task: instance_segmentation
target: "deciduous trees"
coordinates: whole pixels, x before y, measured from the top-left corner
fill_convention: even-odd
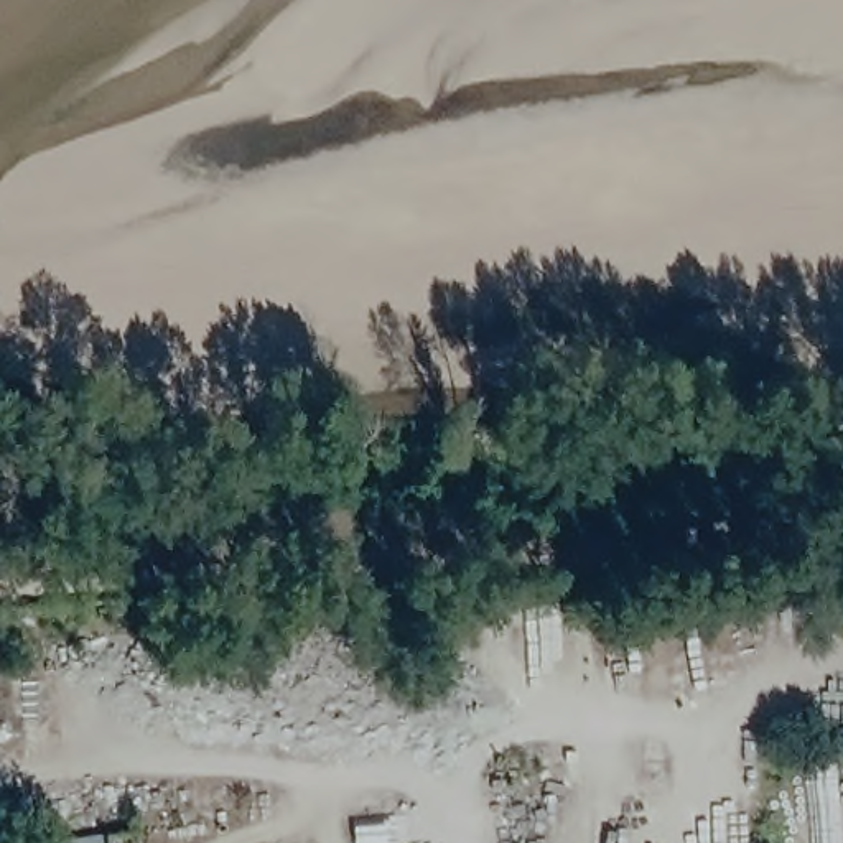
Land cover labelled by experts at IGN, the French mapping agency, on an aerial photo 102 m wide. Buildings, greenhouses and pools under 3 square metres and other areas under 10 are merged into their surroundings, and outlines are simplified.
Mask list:
[[[813,777],[830,764],[843,764],[843,721],[827,718],[820,705],[774,718],[767,738],[757,741],[757,754],[764,761],[790,767],[797,774]]]
[[[53,800],[46,797],[40,810],[13,810],[0,803],[0,843],[76,843],[79,827],[66,827]]]
[[[356,392],[349,379],[339,375],[333,366],[323,372],[323,379],[310,379],[310,369],[280,369],[270,379],[273,402],[267,435],[250,435],[250,428],[237,418],[227,418],[224,425],[191,425],[184,418],[165,425],[158,408],[161,398],[145,385],[132,385],[125,379],[125,369],[119,366],[102,369],[92,382],[86,382],[86,389],[59,392],[46,408],[26,405],[16,392],[0,395],[0,461],[7,461],[7,454],[16,454],[16,464],[30,481],[26,491],[49,507],[40,543],[0,540],[0,576],[43,583],[43,593],[36,596],[0,596],[0,672],[13,678],[26,678],[33,668],[30,652],[23,649],[26,609],[63,645],[76,649],[82,645],[79,632],[89,619],[99,616],[105,626],[125,629],[128,606],[145,609],[148,626],[142,626],[142,632],[151,642],[148,655],[171,685],[221,682],[224,688],[240,692],[263,692],[270,685],[273,668],[283,659],[290,659],[290,642],[306,639],[310,626],[323,626],[352,652],[352,668],[372,672],[375,685],[392,695],[395,705],[405,705],[412,711],[438,705],[461,678],[458,652],[477,649],[484,629],[507,626],[514,612],[530,612],[543,606],[560,609],[563,626],[589,629],[599,645],[616,652],[642,652],[652,649],[652,642],[659,639],[688,639],[698,636],[701,645],[708,645],[718,639],[724,626],[754,629],[767,616],[787,609],[794,609],[797,616],[797,639],[797,645],[807,655],[827,655],[833,639],[843,636],[843,356],[836,356],[827,372],[820,372],[817,366],[787,369],[780,389],[774,382],[761,382],[757,402],[748,405],[738,402],[728,389],[728,362],[705,359],[692,369],[685,362],[659,362],[659,356],[645,342],[636,342],[632,352],[603,356],[596,346],[566,352],[553,339],[543,349],[537,349],[537,359],[520,359],[504,379],[501,431],[487,435],[481,428],[484,402],[471,402],[461,405],[461,412],[445,425],[438,445],[405,445],[402,422],[379,418],[372,408],[372,392]],[[757,497],[757,507],[771,510],[780,494],[807,494],[807,520],[797,524],[797,530],[807,540],[807,553],[800,560],[780,563],[771,560],[761,547],[748,547],[738,557],[728,557],[724,550],[715,550],[708,557],[645,553],[632,560],[616,583],[612,563],[603,563],[599,570],[576,576],[570,570],[557,570],[553,560],[540,563],[540,553],[553,557],[553,533],[560,533],[570,524],[570,517],[586,507],[603,507],[616,530],[682,514],[701,520],[718,504],[715,474],[728,451],[754,454],[764,474],[771,477],[771,484]],[[244,524],[250,514],[270,510],[273,487],[286,487],[293,497],[316,494],[323,497],[326,514],[349,510],[352,517],[362,504],[379,504],[395,514],[415,510],[422,501],[438,501],[448,514],[477,507],[484,514],[487,550],[471,563],[464,563],[458,553],[435,557],[428,566],[422,566],[418,580],[395,580],[385,586],[379,586],[372,570],[362,563],[362,540],[356,530],[336,540],[333,547],[300,547],[300,533],[290,533],[286,540],[263,537],[250,543],[250,553],[231,543],[227,557],[214,557],[214,543],[231,540],[237,524]],[[148,537],[158,537],[171,547],[181,533],[201,543],[198,566],[188,573],[168,573],[161,583],[161,596],[135,596],[135,560],[145,550]]]

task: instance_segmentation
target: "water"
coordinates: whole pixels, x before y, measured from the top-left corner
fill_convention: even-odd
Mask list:
[[[477,379],[468,389],[441,385],[438,379],[408,389],[372,392],[372,408],[379,418],[402,422],[405,445],[438,445],[445,425],[461,412],[461,405],[471,402],[484,402],[481,428],[487,435],[501,431],[504,379]]]
[[[240,56],[260,36],[263,26],[270,26],[296,0],[0,0],[0,181],[7,178],[7,171],[13,171],[23,158],[36,151],[145,119],[194,95],[221,92],[224,82],[217,69]]]
[[[692,86],[748,79],[757,76],[751,63],[672,63],[655,69],[491,79],[454,89],[448,95],[435,95],[431,105],[418,105],[415,99],[385,99],[379,92],[359,92],[310,119],[240,119],[184,135],[178,142],[204,168],[231,165],[257,171],[290,158],[310,158],[326,148],[359,145],[379,135],[412,132],[422,125],[510,105],[593,99],[626,89],[632,89],[636,95],[662,95],[685,92]]]

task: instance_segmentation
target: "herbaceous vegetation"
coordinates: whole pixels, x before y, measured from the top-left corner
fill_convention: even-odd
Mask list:
[[[10,731],[23,731],[23,718],[10,705],[13,678],[0,672],[0,724]]]
[[[599,645],[599,665],[609,668],[616,695],[682,708],[685,701],[692,701],[695,688],[688,639],[659,639],[652,642],[652,649],[642,652],[616,652]]]
[[[754,629],[724,626],[718,639],[708,645],[715,652],[738,652],[761,649],[764,639],[780,639],[790,645],[797,639],[797,616],[794,609],[787,609],[767,616]]]
[[[161,596],[161,583],[168,573],[188,573],[198,566],[201,543],[181,533],[171,547],[158,537],[148,537],[145,550],[135,560],[135,596]]]
[[[761,827],[771,820],[771,803],[780,797],[784,780],[797,774],[790,767],[764,761],[748,843],[767,843],[761,840]]]
[[[718,504],[701,520],[682,514],[616,530],[603,507],[586,507],[570,517],[570,524],[560,533],[553,533],[553,557],[540,553],[540,563],[553,560],[557,570],[570,570],[576,576],[599,570],[603,563],[612,563],[616,583],[632,560],[645,553],[708,557],[715,550],[724,550],[728,557],[738,557],[748,547],[761,547],[771,560],[780,563],[800,560],[807,553],[807,540],[797,530],[797,524],[807,520],[807,494],[780,494],[771,510],[757,507],[757,497],[771,484],[771,477],[764,474],[754,454],[728,451],[715,474]]]
[[[286,787],[280,784],[244,784],[234,777],[119,780],[82,774],[76,780],[46,780],[46,797],[53,800],[66,827],[79,827],[76,843],[214,843],[221,833],[260,823],[260,800],[267,797],[280,803],[280,797],[286,794]]]
[[[0,461],[0,540],[40,543],[49,507],[26,491],[30,481],[16,464],[16,454],[7,454],[7,461]]]
[[[379,504],[362,504],[352,517],[349,510],[326,514],[323,497],[316,494],[293,497],[286,487],[273,487],[270,510],[250,514],[244,524],[237,524],[231,540],[214,543],[214,557],[227,557],[231,543],[250,553],[250,543],[263,537],[286,540],[290,533],[300,533],[300,547],[333,547],[336,540],[356,530],[362,540],[362,563],[372,570],[379,586],[385,586],[395,580],[418,580],[422,566],[428,566],[435,557],[458,553],[464,563],[471,563],[487,550],[484,514],[477,507],[448,514],[438,501],[422,501],[415,510],[395,514]]]
[[[560,754],[560,741],[527,741],[494,751],[484,771],[487,810],[494,813],[497,843],[547,843],[560,833],[566,800],[573,797],[563,784],[566,754]]]

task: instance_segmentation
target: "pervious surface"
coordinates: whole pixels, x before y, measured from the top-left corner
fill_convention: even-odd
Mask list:
[[[609,668],[599,665],[599,645],[589,629],[563,626],[560,609],[543,606],[530,612],[514,612],[507,626],[484,629],[477,649],[458,652],[461,678],[438,705],[412,711],[405,705],[395,705],[392,695],[375,685],[372,672],[352,668],[352,652],[323,626],[310,626],[306,639],[290,642],[290,659],[283,659],[273,668],[270,685],[263,692],[240,692],[224,688],[221,682],[171,685],[148,655],[151,642],[142,632],[142,626],[148,626],[145,609],[128,606],[125,629],[105,626],[99,616],[89,619],[79,632],[82,645],[76,649],[63,645],[26,609],[23,649],[30,652],[33,668],[26,678],[13,678],[10,705],[23,718],[23,731],[10,731],[0,724],[0,803],[13,810],[40,810],[46,797],[46,780],[76,780],[82,774],[119,780],[234,777],[244,784],[280,784],[286,787],[286,794],[280,797],[280,803],[267,797],[260,800],[260,823],[221,833],[214,843],[497,843],[494,813],[487,810],[484,771],[494,751],[527,741],[560,741],[560,754],[566,754],[563,784],[573,797],[566,800],[560,833],[547,843],[748,843],[764,761],[757,754],[757,741],[767,738],[774,718],[820,705],[827,718],[843,721],[843,636],[833,639],[827,655],[807,655],[797,645],[797,639],[790,645],[780,639],[764,639],[761,649],[738,652],[715,652],[708,645],[701,645],[698,636],[688,639],[695,688],[692,701],[685,701],[682,708],[616,695]]]
[[[767,843],[843,843],[843,764],[830,764],[813,777],[797,774],[784,780],[780,797],[771,803],[771,820],[761,827],[761,840]]]
[[[43,583],[0,576],[0,596],[36,596],[43,593]]]

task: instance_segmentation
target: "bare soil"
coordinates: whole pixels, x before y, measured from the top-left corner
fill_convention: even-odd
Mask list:
[[[178,142],[184,135],[240,119],[310,119],[359,92],[379,92],[385,99],[415,99],[418,105],[431,105],[435,95],[448,95],[454,89],[491,79],[655,69],[672,63],[751,63],[757,76],[748,79],[692,86],[685,92],[662,95],[636,95],[632,89],[626,89],[593,99],[510,105],[422,125],[412,132],[379,135],[359,145],[326,148],[310,158],[290,158],[257,171],[231,165],[204,168]],[[59,392],[86,389],[86,382],[92,382],[102,369],[119,366],[125,369],[125,379],[132,385],[145,385],[161,398],[158,408],[165,425],[184,418],[191,425],[224,425],[227,418],[237,418],[250,428],[250,435],[267,435],[273,402],[270,379],[280,369],[310,369],[310,379],[323,379],[323,372],[333,366],[339,375],[349,379],[356,392],[372,392],[408,389],[438,379],[441,385],[468,389],[477,379],[504,379],[520,359],[537,359],[537,349],[543,349],[553,339],[566,352],[596,346],[603,356],[632,352],[636,342],[645,342],[659,356],[659,362],[685,362],[692,369],[705,359],[728,362],[728,389],[738,402],[748,405],[757,402],[761,382],[774,382],[780,389],[787,369],[817,366],[820,372],[827,372],[836,356],[843,356],[843,0],[296,0],[270,26],[263,26],[260,36],[240,56],[217,69],[224,82],[221,92],[194,95],[145,119],[36,151],[23,158],[13,171],[7,171],[7,178],[0,181],[0,395],[16,392],[26,405],[46,408]]]

